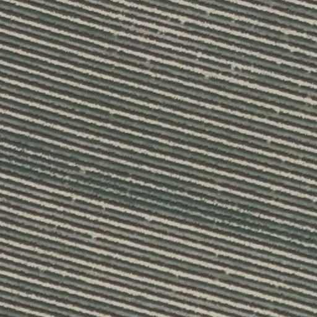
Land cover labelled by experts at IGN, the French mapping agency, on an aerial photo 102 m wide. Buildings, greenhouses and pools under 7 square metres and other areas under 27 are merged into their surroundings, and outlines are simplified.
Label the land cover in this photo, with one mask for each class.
<instances>
[{"label":"vineyard","instance_id":"1","mask_svg":"<svg viewBox=\"0 0 317 317\"><path fill-rule=\"evenodd\" d=\"M0 317H317V0H0Z\"/></svg>","mask_w":317,"mask_h":317}]
</instances>
